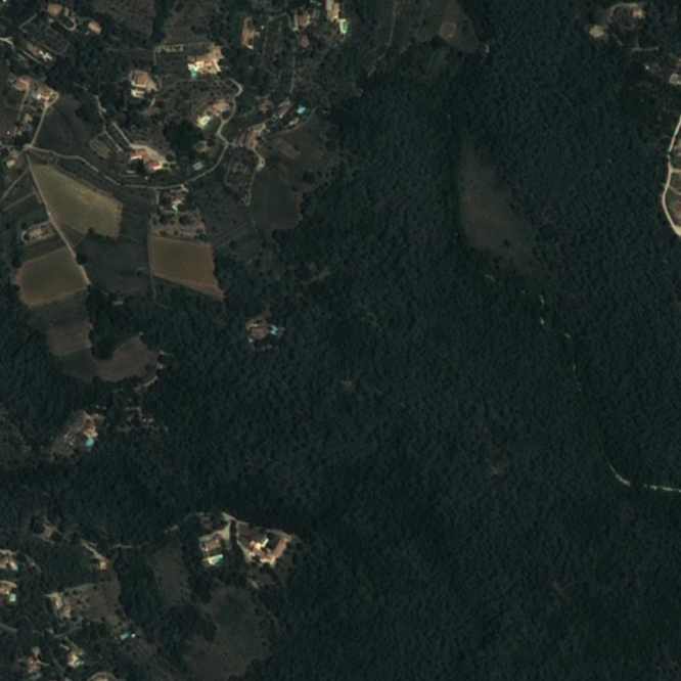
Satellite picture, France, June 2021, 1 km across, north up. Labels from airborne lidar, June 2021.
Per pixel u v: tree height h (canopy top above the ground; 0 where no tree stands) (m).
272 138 0
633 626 12
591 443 16
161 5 9
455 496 19
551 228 15
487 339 15
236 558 15
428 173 17
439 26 0
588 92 16
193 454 14
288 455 25
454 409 22
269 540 10
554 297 7
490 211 0
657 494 11
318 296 16
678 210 0
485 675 17
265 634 7
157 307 17
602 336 6
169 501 19
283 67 15
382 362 14
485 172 0
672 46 17
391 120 18
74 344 0
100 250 0
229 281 21
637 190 15
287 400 19
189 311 18
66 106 0
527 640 9
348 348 16
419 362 19
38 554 16
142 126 20
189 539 14
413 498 18
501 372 14
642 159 18
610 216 18
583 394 12
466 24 11
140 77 0
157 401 13
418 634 17
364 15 19
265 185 0
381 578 14
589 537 11
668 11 17
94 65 12
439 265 20
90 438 0
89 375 0
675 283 11
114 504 19
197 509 10
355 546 17
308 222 11
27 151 6
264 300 16
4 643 16
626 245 14
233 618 0
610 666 16
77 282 0
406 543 18
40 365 18
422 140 14
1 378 18
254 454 19
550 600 9
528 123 21
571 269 17
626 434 10
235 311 17
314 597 18
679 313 16
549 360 18
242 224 0
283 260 17
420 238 24
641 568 21
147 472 18
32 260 0
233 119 7
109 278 0
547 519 18
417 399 20
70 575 13
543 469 12
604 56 17
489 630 22
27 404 17
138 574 13
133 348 0
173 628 9
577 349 10
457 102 14
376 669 16
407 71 20
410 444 18
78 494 16
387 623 15
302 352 19
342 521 19
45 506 15
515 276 13
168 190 6
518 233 0
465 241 19
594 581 7
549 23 17
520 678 15
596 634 11
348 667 18
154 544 13
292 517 13
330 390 17
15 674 8
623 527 17
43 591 6
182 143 18
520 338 11
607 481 22
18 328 19
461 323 15
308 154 0
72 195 0
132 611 21
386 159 17
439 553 16
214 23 14
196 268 0
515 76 24
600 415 16
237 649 0
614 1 11
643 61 8
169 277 0
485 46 5
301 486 7
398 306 18
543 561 17
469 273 18
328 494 16
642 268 12
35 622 15
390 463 17
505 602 21
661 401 12
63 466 21
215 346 15
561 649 17
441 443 17
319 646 16
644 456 16
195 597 10
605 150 17
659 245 17
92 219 0
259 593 11
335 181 8
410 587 16
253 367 19
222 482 20
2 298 20
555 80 19
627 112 12
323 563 9
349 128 16
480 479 20
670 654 7
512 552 15
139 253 0
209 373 11
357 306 20
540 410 17
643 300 18
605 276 8
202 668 0
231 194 8
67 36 8
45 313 0
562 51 19
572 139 21
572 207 15
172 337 18
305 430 21
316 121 0
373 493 18
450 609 20
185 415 17
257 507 10
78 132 0
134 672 19
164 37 11
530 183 15
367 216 12
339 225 19
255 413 16
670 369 17
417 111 15
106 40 16
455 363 20
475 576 17
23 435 6
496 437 8
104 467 19
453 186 16
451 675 20
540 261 16
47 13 12
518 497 18
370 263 18
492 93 14
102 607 0
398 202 21
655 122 8
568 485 17
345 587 18
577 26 10
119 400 20
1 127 0
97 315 13
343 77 8
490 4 10
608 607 12
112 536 20
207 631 12
